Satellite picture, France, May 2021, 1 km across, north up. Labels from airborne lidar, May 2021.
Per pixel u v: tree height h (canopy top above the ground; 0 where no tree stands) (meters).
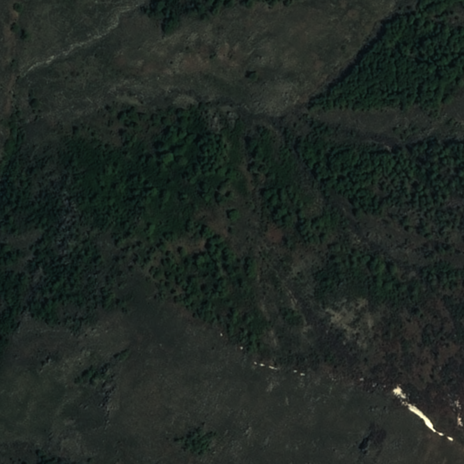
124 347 0
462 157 16
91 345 0
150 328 0
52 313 7
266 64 0
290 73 0
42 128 0
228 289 17
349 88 17
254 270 16
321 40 0
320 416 0
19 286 16
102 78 0
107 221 13
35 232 0
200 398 0
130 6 0
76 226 8
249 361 0
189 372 0
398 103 16
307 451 0
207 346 0
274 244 6
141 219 9
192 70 0
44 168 11
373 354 0
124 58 0
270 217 6
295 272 0
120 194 8
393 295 10
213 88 0
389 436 0
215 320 11
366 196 24
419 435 0
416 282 9
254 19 0
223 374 0
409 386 7
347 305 0
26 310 9
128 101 0
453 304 10
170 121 17
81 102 0
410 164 21
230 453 0
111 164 10
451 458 0
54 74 0
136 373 0
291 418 0
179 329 0
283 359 7
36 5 0
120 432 0
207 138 21
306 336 0
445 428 0
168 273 11
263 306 0
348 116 0
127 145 9
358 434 0
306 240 9
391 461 0
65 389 0
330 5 0
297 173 7
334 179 25
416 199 15
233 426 0
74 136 6
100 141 9
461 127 10
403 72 29
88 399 0
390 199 12
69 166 14
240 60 0
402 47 32
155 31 0
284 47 0
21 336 0
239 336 8
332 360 10
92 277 8
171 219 6
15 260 8
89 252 15
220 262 26
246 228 0
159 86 0
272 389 0
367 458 0
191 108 6
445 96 7
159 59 0
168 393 0
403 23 21
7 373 0
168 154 29
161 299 15
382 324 5
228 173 16
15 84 0
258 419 0
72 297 16
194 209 9
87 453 0
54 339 0
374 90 22
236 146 6
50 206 9
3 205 15
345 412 0
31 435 0
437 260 7
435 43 10
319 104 13
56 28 0
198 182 8
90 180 9
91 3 0
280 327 0
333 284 9
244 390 0
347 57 0
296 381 0
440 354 10
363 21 0
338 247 19
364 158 12
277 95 0
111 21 0
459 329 8
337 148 9
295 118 0
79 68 0
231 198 16
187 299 14
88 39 0
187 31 0
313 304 0
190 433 14
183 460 0
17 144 9
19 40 0
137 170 7
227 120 6
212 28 0
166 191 17
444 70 24
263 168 20
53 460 13
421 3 14
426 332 7
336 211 7
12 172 15
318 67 0
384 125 0
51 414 0
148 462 0
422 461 0
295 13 0
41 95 0
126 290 0
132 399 0
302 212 17
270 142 8
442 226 11
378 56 25
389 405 0
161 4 22
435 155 16
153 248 10
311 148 14
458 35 18
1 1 0
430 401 6
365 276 9
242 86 0
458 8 0
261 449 0
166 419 0
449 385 7
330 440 0
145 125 0
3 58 0
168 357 0
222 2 10
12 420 0
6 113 0
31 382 0
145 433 0
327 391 0
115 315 0
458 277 23
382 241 0
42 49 0
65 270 6
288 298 0
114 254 0
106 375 8
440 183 21
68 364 0
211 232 21
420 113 0
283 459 0
